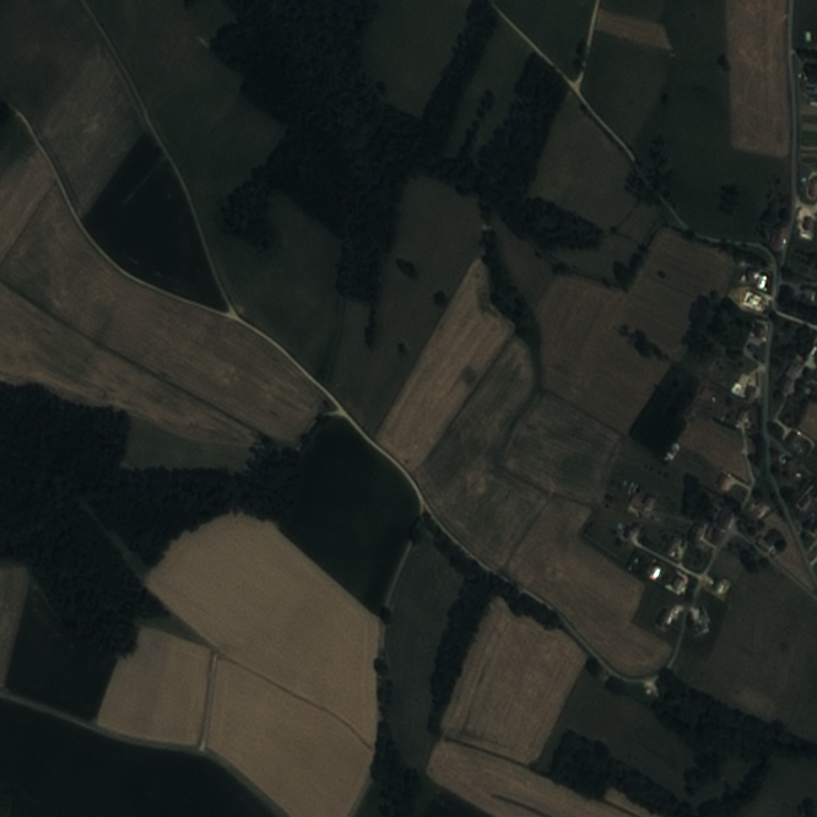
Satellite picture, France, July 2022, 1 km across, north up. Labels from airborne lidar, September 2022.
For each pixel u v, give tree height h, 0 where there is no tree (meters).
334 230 11
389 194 21
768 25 0
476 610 22
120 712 0
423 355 0
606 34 0
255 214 21
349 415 0
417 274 13
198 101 0
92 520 10
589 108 11
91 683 0
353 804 0
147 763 0
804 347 7
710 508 15
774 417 0
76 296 0
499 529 0
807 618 0
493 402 0
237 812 0
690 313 0
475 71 15
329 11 28
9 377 0
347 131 32
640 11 0
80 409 8
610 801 0
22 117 0
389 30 0
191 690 0
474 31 14
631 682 0
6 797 0
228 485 26
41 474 23
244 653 0
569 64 0
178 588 0
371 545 0
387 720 13
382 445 0
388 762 20
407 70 0
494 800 0
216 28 0
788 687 0
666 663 0
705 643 0
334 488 0
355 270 23
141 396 0
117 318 0
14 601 0
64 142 0
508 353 0
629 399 0
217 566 0
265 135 0
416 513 0
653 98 0
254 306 0
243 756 0
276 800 0
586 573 0
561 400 0
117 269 0
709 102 0
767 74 0
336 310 0
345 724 0
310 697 0
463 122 0
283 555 0
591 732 0
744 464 0
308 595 0
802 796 0
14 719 0
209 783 0
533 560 0
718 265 0
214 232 0
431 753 0
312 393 0
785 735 22
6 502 30
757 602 0
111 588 10
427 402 0
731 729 21
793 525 0
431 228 0
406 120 15
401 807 20
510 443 0
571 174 0
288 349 0
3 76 0
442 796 0
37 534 22
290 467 24
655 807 14
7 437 23
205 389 0
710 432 0
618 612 0
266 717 0
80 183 0
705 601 0
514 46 0
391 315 0
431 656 0
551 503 0
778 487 0
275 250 0
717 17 0
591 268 0
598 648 0
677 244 0
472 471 0
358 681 0
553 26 0
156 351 0
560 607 0
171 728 0
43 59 0
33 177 0
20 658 0
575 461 0
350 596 0
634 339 8
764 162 0
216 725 0
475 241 0
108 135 0
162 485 25
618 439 0
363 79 19
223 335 0
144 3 0
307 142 23
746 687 0
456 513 0
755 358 6
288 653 0
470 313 0
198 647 0
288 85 17
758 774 21
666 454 7
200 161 0
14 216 0
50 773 0
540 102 17
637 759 0
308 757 0
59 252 0
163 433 0
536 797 0
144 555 16
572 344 0
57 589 15
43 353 0
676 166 0
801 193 0
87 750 0
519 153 22
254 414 0
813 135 0
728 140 0
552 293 0
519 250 0
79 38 0
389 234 22
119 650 20
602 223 0
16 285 0
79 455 19
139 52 0
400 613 0
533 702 0
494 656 0
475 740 0
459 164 12
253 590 0
